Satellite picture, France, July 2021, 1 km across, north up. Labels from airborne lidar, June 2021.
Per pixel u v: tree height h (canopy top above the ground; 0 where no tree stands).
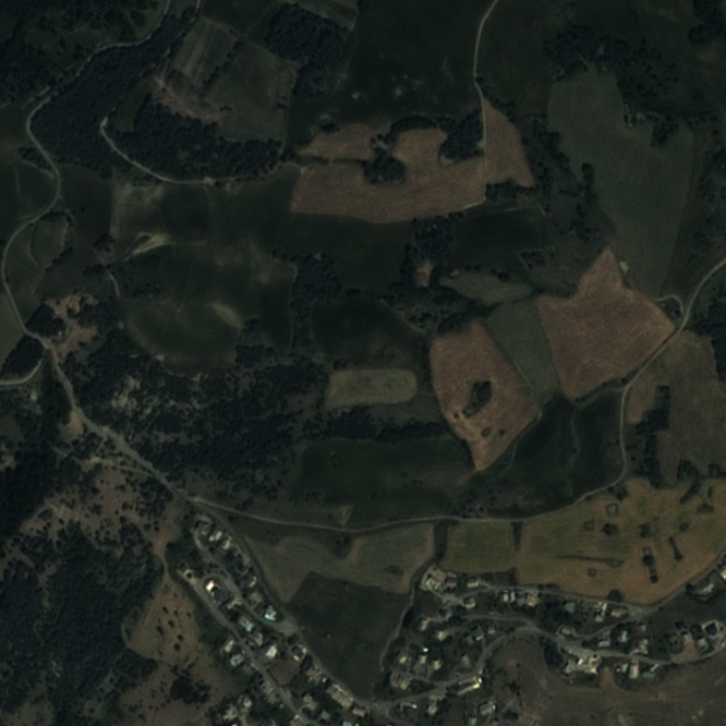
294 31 15
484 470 0
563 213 0
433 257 21
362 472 0
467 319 10
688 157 0
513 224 0
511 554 0
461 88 0
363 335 0
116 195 0
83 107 13
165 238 0
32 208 0
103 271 12
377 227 0
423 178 0
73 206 0
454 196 0
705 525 0
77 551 7
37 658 8
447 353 0
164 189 0
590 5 0
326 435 6
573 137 0
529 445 0
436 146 0
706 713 0
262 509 0
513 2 0
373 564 0
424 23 0
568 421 0
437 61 0
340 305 0
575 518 0
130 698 0
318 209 0
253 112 0
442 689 0
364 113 0
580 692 0
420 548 0
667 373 0
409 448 0
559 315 0
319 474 0
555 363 0
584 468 0
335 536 0
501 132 0
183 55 0
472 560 0
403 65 0
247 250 0
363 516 0
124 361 6
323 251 0
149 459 7
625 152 0
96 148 7
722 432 0
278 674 0
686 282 0
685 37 0
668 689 0
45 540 8
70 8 13
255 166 15
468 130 12
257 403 7
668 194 0
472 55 0
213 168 7
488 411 0
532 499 0
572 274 0
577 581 0
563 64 9
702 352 0
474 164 0
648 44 14
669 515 0
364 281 0
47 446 11
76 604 11
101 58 13
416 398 0
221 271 0
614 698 0
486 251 0
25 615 8
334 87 0
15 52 10
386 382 0
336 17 0
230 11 0
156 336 0
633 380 0
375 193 0
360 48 0
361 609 0
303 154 0
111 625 11
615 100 0
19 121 0
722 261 0
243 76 0
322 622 0
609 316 0
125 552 7
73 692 7
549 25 0
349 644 0
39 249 0
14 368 8
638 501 0
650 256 0
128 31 13
